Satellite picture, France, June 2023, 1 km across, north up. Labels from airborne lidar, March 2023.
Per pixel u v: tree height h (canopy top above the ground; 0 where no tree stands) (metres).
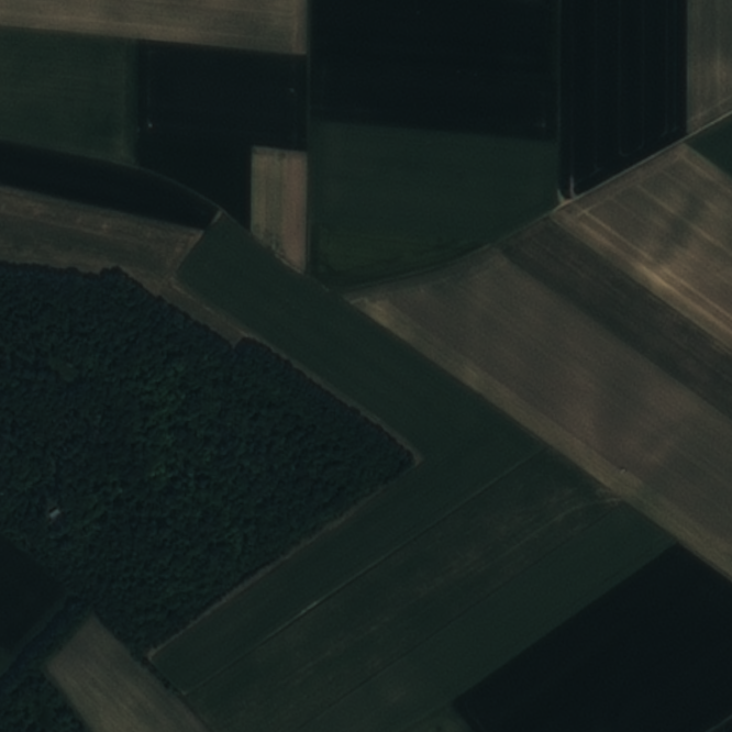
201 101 0
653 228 0
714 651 0
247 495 18
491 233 0
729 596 0
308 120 0
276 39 0
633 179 0
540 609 0
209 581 16
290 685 0
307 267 0
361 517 0
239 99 0
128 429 26
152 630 20
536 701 0
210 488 21
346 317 0
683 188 0
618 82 0
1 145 0
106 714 0
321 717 0
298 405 21
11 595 0
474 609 0
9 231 0
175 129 0
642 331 0
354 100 0
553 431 0
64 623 20
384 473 15
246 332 0
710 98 0
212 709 0
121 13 0
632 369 0
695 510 0
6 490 16
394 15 0
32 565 0
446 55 0
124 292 14
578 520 0
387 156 0
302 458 20
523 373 0
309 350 0
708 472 0
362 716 0
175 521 19
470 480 0
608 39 0
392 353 0
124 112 0
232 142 0
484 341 0
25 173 0
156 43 0
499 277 0
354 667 0
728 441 0
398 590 0
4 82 0
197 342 20
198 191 0
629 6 0
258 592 0
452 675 0
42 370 18
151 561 15
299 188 0
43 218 0
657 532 0
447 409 0
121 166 0
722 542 0
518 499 0
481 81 0
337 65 0
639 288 0
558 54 0
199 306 0
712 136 0
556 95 0
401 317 0
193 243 0
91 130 0
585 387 0
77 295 21
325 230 0
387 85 0
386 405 0
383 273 0
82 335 16
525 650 0
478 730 0
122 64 0
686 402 0
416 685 0
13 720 16
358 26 0
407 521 0
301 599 0
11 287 13
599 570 0
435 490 0
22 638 0
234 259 0
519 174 0
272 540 16
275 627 0
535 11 0
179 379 20
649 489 0
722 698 0
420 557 0
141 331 18
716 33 0
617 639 0
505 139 0
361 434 24
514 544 0
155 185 0
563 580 0
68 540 20
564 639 0
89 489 20
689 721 0
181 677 0
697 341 0
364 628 0
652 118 0
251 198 0
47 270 16
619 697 0
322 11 0
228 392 18
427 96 0
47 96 0
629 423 0
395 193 0
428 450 0
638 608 0
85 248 0
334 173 0
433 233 0
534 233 0
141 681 0
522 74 0
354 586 0
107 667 0
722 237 0
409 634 0
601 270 0
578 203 0
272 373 20
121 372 17
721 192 0
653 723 0
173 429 18
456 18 0
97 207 0
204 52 0
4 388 16
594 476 0
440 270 0
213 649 0
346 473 17
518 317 0
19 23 0
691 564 0
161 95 0
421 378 0
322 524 10
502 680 0
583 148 0
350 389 0
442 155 0
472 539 0
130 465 24
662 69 0
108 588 20
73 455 20
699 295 0
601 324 0
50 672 0
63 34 0
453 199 0
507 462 0
